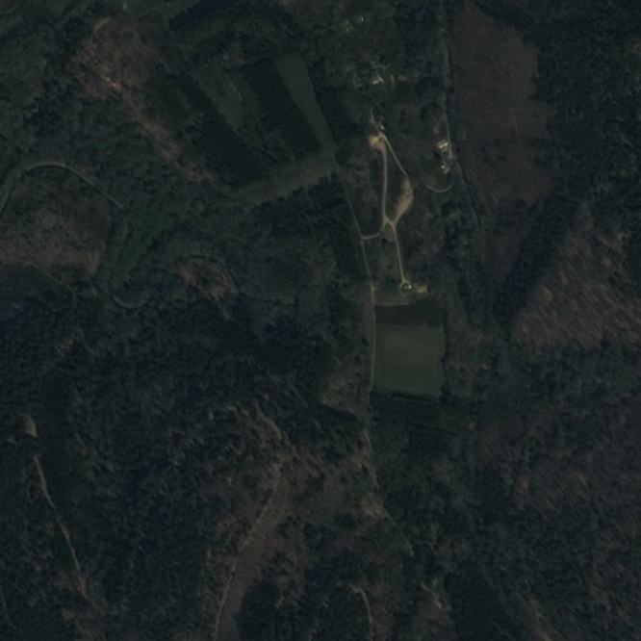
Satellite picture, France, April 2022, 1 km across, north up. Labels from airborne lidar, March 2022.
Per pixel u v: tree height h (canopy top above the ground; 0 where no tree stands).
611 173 21
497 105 14
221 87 0
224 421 12
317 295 26
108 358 18
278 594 15
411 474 23
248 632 21
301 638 19
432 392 0
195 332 26
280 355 32
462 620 21
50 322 31
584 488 22
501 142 11
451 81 21
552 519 24
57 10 0
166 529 15
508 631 21
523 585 28
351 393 0
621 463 18
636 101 16
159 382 27
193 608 7
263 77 17
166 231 20
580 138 13
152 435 9
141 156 26
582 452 8
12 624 10
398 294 0
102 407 27
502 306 24
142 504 28
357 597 7
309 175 0
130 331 27
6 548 12
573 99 10
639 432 17
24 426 16
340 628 7
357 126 17
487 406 18
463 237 22
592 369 18
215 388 18
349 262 27
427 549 15
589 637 26
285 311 30
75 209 0
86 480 12
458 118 21
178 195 24
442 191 0
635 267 11
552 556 31
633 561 8
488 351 8
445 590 0
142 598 6
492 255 13
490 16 24
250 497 7
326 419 32
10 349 33
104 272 26
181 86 17
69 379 21
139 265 28
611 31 10
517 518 6
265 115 17
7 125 0
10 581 9
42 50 27
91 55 0
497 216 10
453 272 31
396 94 0
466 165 21
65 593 13
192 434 32
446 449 17
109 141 21
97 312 18
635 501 10
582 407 8
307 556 27
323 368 37
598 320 28
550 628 25
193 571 7
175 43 0
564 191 16
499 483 7
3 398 24
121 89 0
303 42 27
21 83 33
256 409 16
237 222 28
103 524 16
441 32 24
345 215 31
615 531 17
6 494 8
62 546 10
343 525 15
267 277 34
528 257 23
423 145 0
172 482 10
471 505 22
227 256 28
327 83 21
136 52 0
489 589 26
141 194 32
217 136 18
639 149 20
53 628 8
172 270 26
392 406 15
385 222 0
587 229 25
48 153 28
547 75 15
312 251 24
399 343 0
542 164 13
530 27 22
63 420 16
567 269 27
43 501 14
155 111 9
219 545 9
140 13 0
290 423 13
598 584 27
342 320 26
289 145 15
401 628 19
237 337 30
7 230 0
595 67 12
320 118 0
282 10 26
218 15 30
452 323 22
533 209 9
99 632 17
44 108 8
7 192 18
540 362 8
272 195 0
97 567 30
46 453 11
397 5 26
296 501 12
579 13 11
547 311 25
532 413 12
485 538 32
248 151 21
